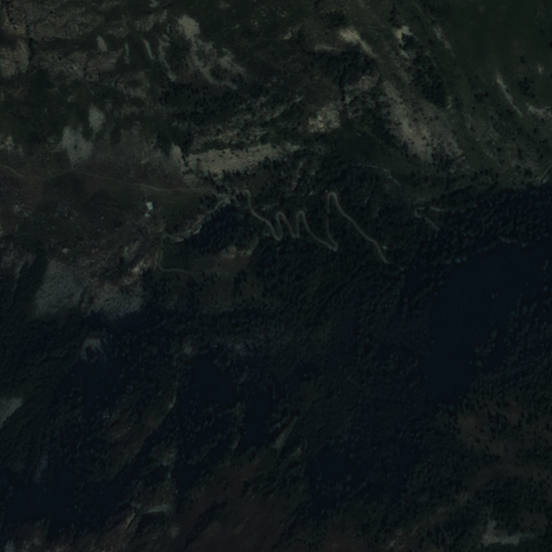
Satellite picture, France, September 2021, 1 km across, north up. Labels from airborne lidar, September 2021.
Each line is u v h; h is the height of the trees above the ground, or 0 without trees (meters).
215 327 6
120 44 0
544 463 8
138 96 0
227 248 0
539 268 7
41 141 7
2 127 0
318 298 12
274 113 8
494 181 7
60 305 0
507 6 0
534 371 9
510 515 7
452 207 11
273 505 0
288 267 9
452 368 14
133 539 0
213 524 0
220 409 7
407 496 6
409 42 14
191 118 9
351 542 0
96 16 0
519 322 9
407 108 0
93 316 0
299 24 0
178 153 0
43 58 0
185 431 5
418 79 11
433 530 0
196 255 0
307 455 8
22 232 0
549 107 0
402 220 6
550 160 0
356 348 7
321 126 0
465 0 0
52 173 0
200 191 0
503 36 0
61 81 0
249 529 0
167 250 0
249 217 9
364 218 11
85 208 0
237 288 10
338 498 0
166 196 0
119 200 0
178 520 0
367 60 9
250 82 0
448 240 13
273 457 9
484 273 6
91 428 8
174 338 7
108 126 0
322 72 9
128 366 6
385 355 10
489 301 19
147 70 0
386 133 12
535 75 0
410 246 9
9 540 0
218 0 0
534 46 0
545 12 0
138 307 0
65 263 0
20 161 0
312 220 10
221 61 0
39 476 0
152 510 0
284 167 7
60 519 9
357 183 7
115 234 0
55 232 0
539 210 16
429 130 0
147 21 0
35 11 0
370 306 10
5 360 6
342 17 10
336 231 8
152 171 0
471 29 0
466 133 0
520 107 0
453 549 11
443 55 0
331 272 12
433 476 8
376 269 9
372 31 0
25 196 0
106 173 0
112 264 0
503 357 8
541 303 9
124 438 0
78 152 0
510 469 0
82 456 0
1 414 0
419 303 6
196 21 0
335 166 12
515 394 7
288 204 7
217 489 0
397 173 0
